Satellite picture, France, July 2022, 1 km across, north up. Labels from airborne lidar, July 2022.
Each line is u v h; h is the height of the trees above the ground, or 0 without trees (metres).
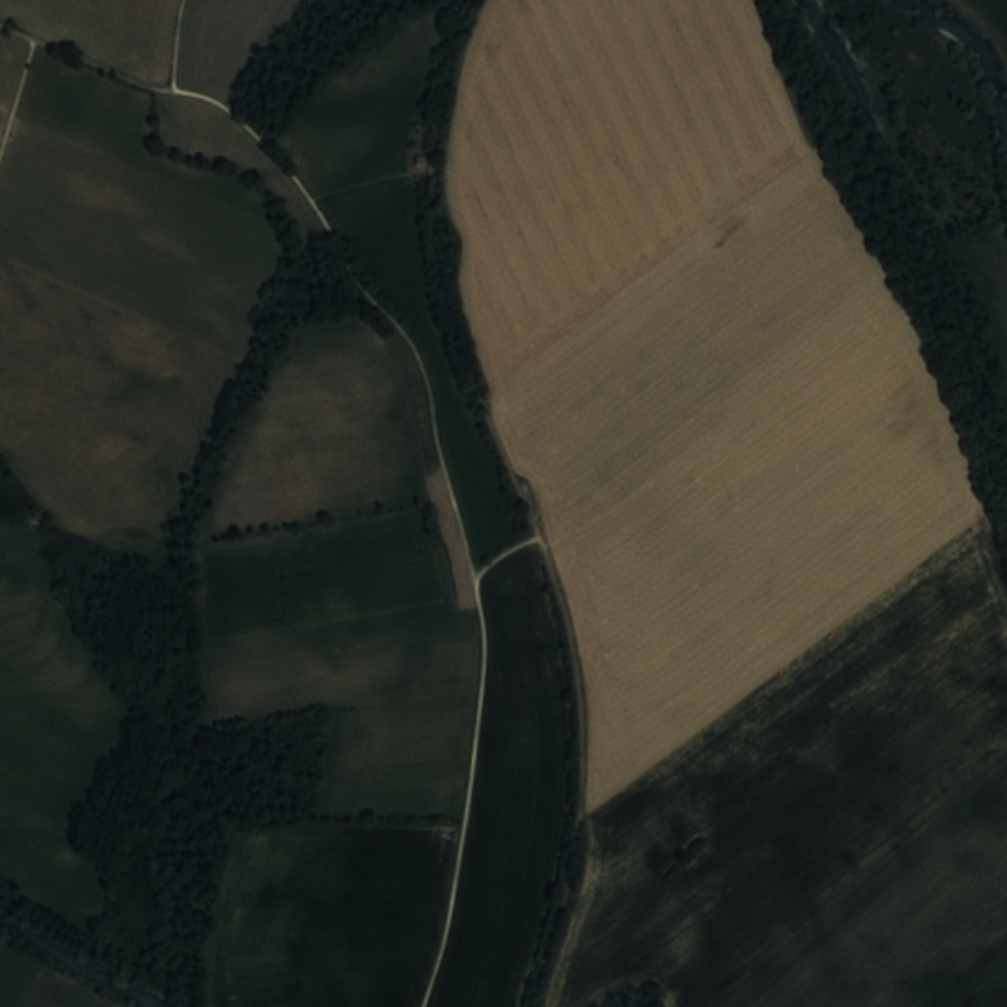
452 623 0
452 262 16
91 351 0
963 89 0
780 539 0
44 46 0
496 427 0
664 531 0
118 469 0
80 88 0
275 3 0
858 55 9
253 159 0
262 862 0
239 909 0
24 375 0
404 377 0
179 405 0
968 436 16
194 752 8
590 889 0
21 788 0
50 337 0
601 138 0
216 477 16
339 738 0
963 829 0
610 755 0
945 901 0
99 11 0
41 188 0
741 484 0
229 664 0
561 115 0
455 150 0
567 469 0
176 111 0
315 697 0
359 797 0
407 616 0
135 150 0
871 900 0
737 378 0
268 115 19
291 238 22
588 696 0
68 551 6
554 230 0
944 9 10
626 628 0
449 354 17
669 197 0
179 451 0
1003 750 0
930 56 0
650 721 0
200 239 0
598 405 0
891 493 0
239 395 8
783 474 0
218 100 0
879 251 14
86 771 0
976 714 0
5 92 0
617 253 0
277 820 18
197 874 8
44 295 0
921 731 0
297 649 0
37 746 0
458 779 0
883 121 0
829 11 10
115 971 9
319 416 0
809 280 0
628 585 0
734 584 0
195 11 0
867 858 0
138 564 16
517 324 0
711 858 0
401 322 8
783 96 0
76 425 0
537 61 0
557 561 0
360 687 0
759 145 0
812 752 0
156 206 0
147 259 0
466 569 0
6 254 0
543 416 0
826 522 0
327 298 19
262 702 0
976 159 0
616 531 0
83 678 0
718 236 0
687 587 0
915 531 0
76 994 0
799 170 0
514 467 0
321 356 0
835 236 0
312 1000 0
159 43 0
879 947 0
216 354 0
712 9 0
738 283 0
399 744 0
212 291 0
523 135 0
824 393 0
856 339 0
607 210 0
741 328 0
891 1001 0
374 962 0
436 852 0
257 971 0
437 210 15
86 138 0
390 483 0
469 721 0
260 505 0
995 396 28
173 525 11
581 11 0
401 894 0
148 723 28
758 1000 0
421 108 14
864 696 0
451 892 0
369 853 0
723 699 0
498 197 0
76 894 0
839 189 14
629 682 0
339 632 0
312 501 0
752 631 0
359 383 0
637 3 0
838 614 0
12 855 0
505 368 0
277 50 17
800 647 0
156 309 0
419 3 21
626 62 0
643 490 0
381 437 0
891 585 0
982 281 0
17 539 0
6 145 0
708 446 0
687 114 0
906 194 30
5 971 0
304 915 0
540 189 0
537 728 0
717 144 0
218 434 18
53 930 28
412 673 0
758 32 0
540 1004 16
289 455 0
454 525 0
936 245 29
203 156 10
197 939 21
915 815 0
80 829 30
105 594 22
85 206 0
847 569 0
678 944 0
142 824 15
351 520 0
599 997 0
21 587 0
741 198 0
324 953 0
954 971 0
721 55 0
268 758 20
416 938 0
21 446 0
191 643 14
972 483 14
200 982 19
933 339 21
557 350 0
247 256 0
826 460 0
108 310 0
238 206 0
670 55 0
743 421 0
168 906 20
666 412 0
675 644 0
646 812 0
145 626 27
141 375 0
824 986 0
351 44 9
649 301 0
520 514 14
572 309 0
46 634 0
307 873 0
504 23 0
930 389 0
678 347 0
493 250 0
